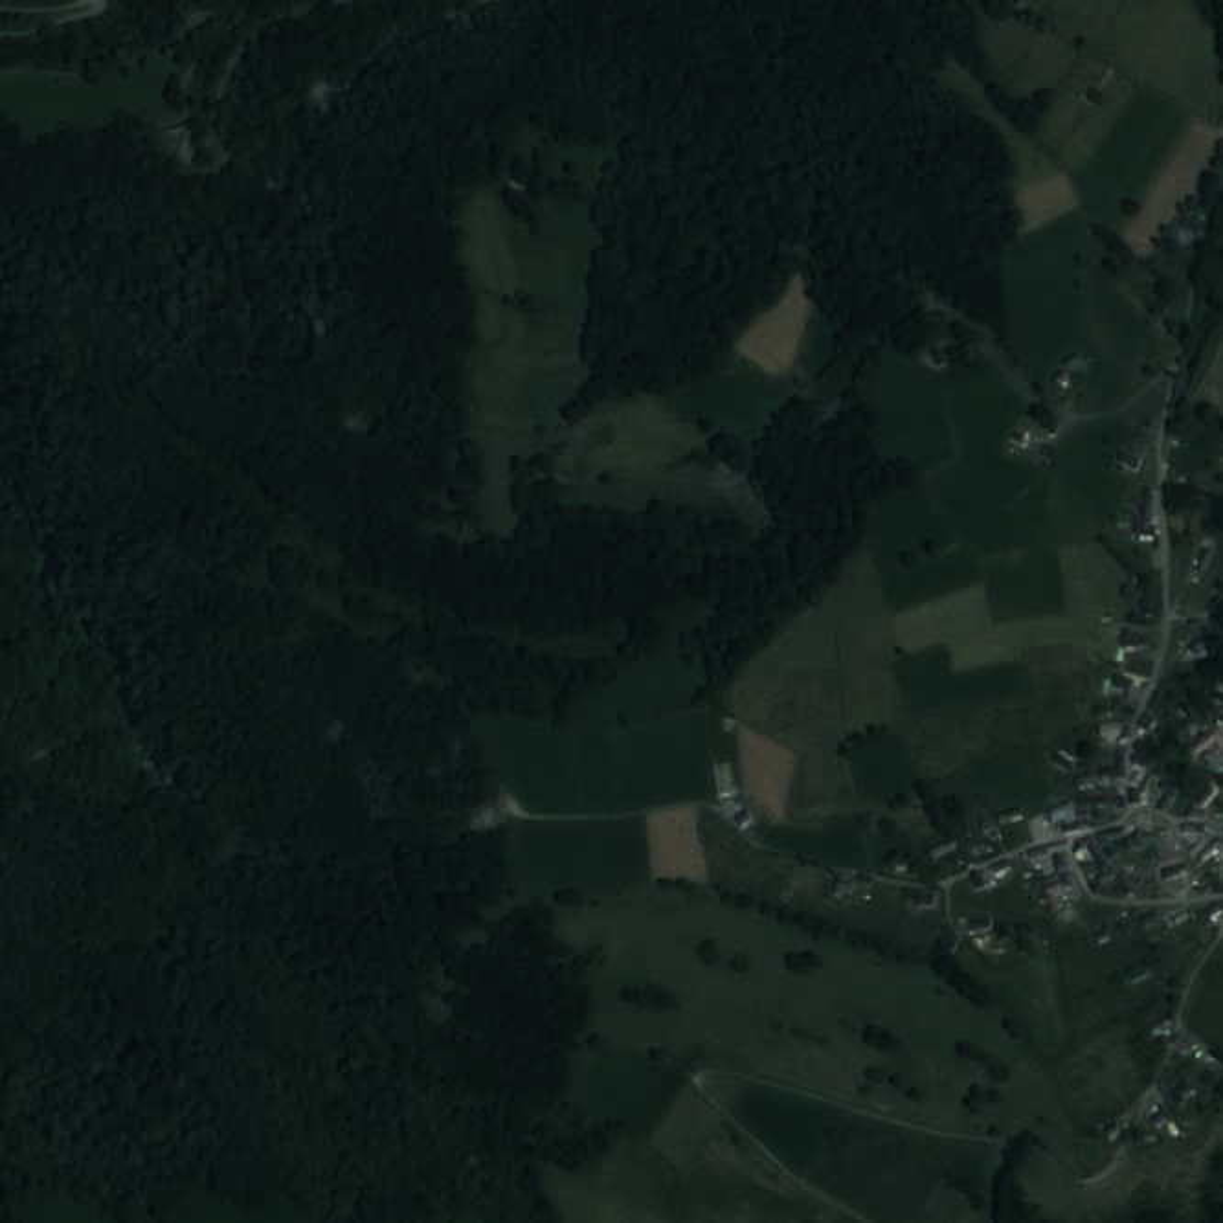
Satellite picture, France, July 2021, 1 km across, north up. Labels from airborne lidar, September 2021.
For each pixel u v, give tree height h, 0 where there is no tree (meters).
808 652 0
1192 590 0
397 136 26
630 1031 0
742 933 0
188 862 11
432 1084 18
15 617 18
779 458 26
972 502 0
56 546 45
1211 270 11
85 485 20
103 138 15
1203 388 0
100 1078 10
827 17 26
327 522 24
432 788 11
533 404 0
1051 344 0
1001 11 30
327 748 10
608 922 0
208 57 16
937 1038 0
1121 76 0
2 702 21
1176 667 0
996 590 0
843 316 14
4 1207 19
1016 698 0
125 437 22
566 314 0
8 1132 21
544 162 17
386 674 14
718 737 0
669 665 0
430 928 18
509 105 20
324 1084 18
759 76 24
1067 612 0
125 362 21
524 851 0
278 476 27
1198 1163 0
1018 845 0
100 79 29
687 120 26
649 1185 0
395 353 23
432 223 21
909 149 15
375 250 28
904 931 0
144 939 6
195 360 10
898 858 17
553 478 12
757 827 0
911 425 0
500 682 21
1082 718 0
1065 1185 0
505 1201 9
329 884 17
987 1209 7
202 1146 12
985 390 0
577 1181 0
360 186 24
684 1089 0
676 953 0
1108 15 0
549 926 7
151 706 40
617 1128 10
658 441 0
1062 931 0
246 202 21
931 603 0
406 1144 15
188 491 23
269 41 29
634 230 25
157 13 19
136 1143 12
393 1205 19
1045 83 0
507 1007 25
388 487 24
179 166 13
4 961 19
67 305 28
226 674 9
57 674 35
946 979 25
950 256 33
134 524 21
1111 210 0
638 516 9
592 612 26
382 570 20
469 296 15
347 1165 15
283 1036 9
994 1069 8
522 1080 17
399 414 21
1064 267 0
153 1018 29
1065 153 0
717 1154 0
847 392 8
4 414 31
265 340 15
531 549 21
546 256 0
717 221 11
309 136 19
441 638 22
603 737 0
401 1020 14
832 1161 0
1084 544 0
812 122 19
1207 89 0
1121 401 0
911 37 8
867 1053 0
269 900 12
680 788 0
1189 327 13
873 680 0
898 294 18
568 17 25
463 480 19
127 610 42
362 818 11
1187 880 0
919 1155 0
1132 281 0
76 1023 25
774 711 0
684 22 26
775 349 0
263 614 9
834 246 22
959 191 9
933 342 8
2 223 10
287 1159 13
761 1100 0
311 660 14
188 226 24
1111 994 0
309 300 27
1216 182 24
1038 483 0
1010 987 0
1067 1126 0
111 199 22
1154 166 0
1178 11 0
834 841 0
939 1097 0
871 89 16
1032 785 0
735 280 21
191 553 17
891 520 0
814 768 0
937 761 0
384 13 17
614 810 0
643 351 20
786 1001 0
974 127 15
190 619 20
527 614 30
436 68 20
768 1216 0
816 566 26
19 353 33
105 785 21
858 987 0
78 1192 9
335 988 36
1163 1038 10
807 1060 0
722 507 0
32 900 19
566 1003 26
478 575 26
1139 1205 0
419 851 11
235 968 17
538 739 0
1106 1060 0
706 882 0
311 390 27
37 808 8
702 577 9
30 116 0
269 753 15
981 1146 0
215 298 7
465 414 18
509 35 26
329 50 13
